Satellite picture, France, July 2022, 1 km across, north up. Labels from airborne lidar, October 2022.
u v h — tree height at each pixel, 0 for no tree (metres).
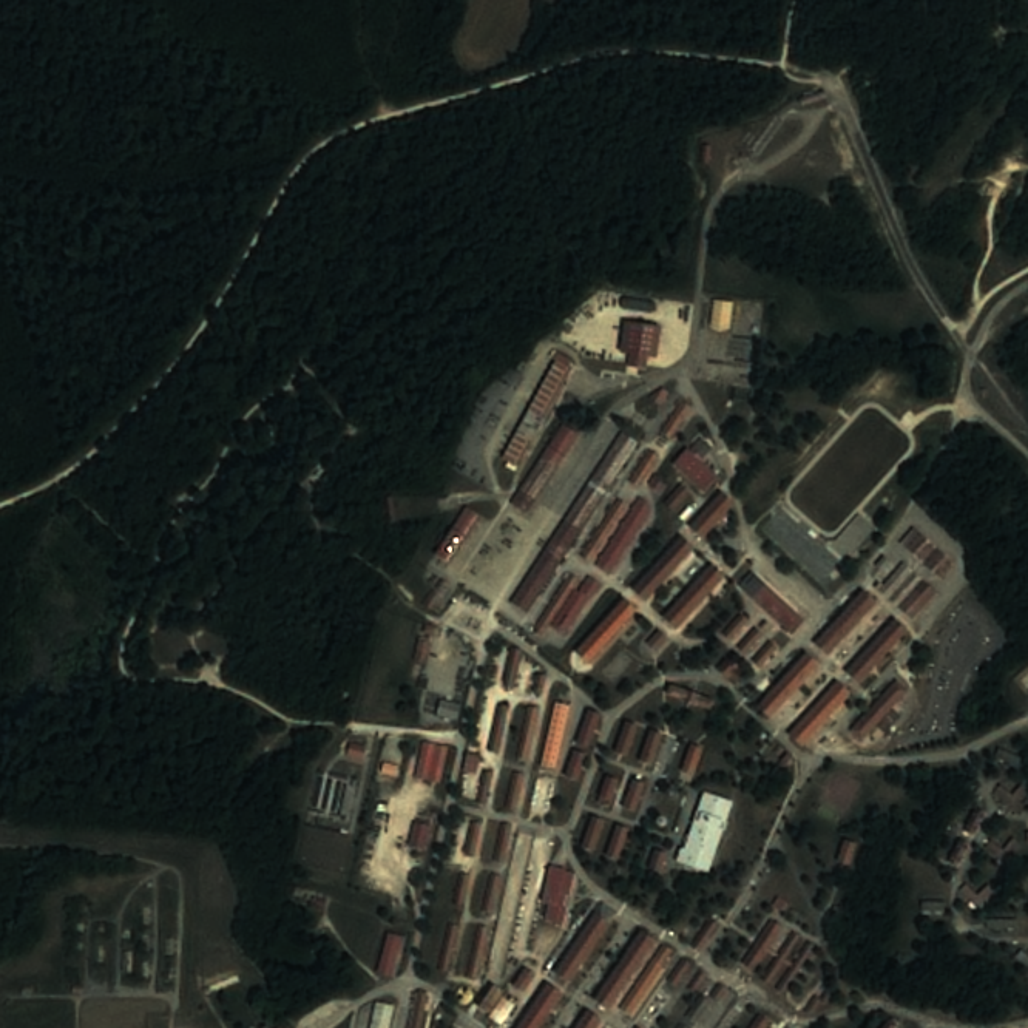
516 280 22
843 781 0
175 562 10
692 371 0
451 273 25
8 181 19
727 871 15
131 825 13
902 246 0
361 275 31
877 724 0
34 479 9
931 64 19
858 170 0
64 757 22
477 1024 0
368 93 9
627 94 22
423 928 16
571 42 21
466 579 0
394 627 0
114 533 12
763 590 0
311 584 20
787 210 16
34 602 6
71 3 25
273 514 12
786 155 0
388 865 0
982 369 0
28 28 21
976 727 13
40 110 27
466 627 0
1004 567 19
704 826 0
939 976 14
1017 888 21
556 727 0
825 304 0
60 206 23
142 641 8
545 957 0
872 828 18
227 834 15
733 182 0
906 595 0
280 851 17
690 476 0
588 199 17
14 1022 0
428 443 15
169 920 0
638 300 0
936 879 0
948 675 0
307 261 27
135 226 29
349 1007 0
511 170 17
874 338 20
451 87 14
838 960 14
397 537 13
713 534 13
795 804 6
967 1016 8
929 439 0
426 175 22
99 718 25
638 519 0
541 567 0
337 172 25
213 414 9
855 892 13
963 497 20
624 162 14
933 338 18
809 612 0
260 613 16
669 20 23
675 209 15
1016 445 0
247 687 12
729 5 23
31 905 18
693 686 0
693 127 17
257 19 8
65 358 26
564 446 0
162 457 25
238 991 0
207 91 8
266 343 27
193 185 7
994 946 12
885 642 0
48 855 17
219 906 0
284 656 16
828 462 0
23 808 13
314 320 21
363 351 21
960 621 0
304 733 16
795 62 10
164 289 22
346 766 0
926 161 14
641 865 10
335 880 0
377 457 16
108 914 0
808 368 18
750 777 11
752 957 0
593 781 0
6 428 6
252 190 22
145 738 26
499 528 0
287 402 24
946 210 14
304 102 14
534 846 0
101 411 29
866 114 9
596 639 0
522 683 0
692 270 0
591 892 0
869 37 18
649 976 0
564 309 8
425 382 23
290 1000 14
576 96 20
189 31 9
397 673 0
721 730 16
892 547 0
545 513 0
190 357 14
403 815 0
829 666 0
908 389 0
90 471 19
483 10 0
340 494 19
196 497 27
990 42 7
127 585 27
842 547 0
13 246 28
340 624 12
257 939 18
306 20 9
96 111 23
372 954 0
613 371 0
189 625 19
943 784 18
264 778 23
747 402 0
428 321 24
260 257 21
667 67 15
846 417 0
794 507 0
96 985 0
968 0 15
